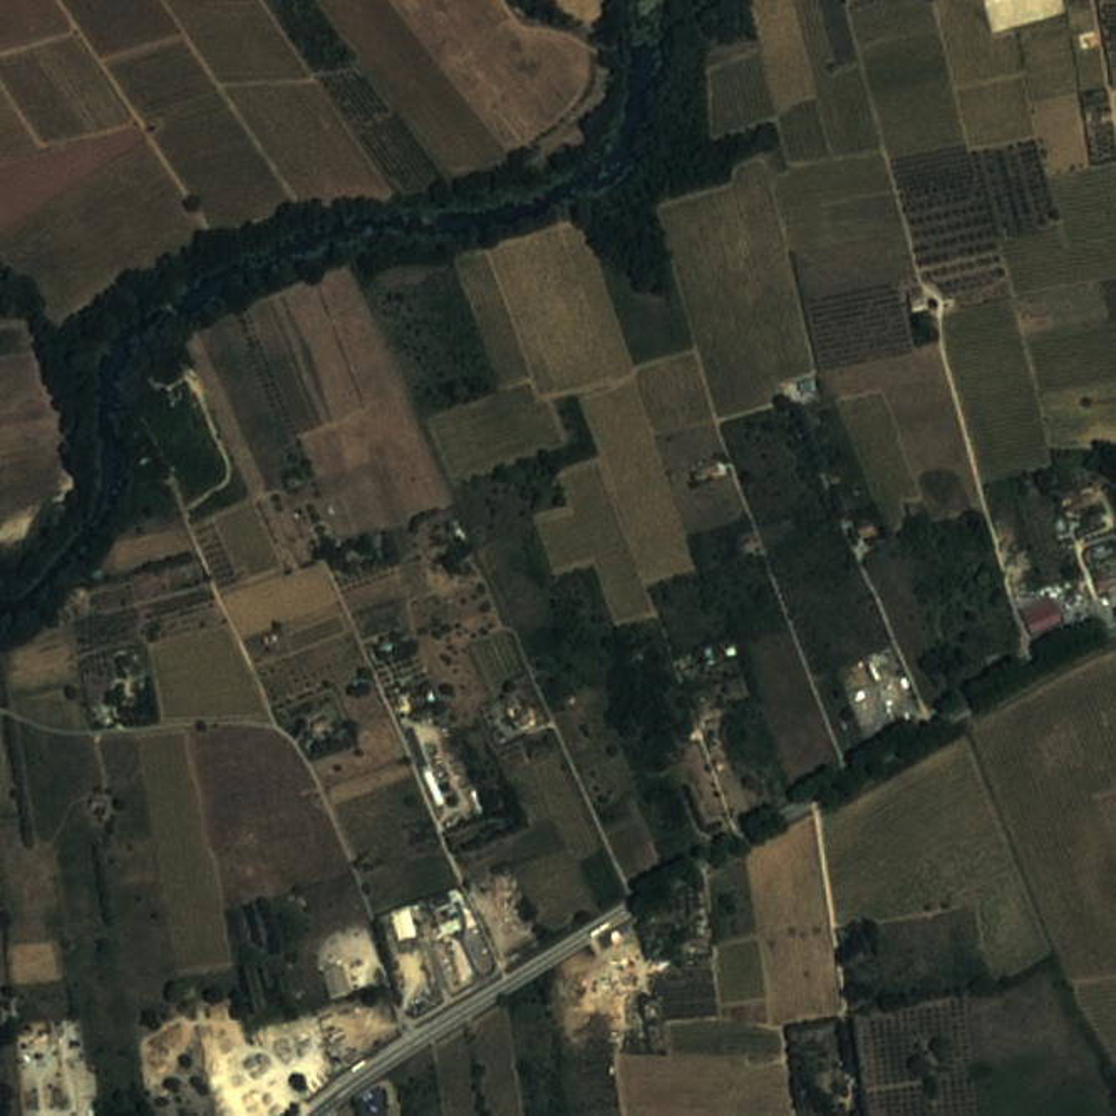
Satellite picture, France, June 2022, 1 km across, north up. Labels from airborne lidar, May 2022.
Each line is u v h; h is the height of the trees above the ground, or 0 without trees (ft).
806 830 0
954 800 0
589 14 0
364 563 22
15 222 0
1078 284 0
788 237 0
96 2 0
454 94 0
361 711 0
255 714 0
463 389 36
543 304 0
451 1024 0
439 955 0
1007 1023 0
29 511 0
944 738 77
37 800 0
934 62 0
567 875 0
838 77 0
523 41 0
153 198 0
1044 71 0
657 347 0
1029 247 0
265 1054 0
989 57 0
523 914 43
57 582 59
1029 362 0
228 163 0
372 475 0
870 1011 27
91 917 0
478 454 0
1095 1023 0
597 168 0
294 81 0
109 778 0
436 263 19
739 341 0
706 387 0
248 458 0
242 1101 0
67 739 0
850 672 0
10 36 0
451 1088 0
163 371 26
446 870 0
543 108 0
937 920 0
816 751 0
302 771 0
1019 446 0
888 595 0
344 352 0
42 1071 0
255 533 0
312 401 0
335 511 0
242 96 0
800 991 0
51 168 0
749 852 69
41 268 0
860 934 60
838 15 0
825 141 0
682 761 0
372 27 0
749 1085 0
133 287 76
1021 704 0
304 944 0
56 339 47
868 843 0
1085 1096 0
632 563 0
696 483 19
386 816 0
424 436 0
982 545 21
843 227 0
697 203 0
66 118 0
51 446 0
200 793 0
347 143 0
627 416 0
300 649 0
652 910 83
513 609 0
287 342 0
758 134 35
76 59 0
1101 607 0
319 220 75
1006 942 0
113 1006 0
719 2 55
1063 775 0
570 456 20
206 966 0
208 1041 0
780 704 0
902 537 29
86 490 60
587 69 0
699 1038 0
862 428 0
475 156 0
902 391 0
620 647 30
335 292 0
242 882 0
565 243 0
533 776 0
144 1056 0
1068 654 68
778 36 0
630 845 0
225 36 0
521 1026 0
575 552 0
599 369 0
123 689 27
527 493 23
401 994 23
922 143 0
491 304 0
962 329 0
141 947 0
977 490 0
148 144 0
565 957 0
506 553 0
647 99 61
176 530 0
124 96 0
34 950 0
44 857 0
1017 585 0
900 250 0
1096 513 30
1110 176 0
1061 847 0
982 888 0
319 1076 0
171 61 0
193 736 0
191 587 22
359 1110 33
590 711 0
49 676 0
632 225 24
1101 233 0
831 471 30
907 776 0
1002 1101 0
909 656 0
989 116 0
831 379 0
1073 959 0
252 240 50
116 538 39
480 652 0
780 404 45
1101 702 0
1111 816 0
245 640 0
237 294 65
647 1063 0
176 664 0
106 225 0
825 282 0
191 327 20
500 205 36
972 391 0
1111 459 71
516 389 0
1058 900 0
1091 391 0
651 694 32
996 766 0
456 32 0
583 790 0
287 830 0
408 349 19
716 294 0
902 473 0
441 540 26
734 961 0
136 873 0
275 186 0
